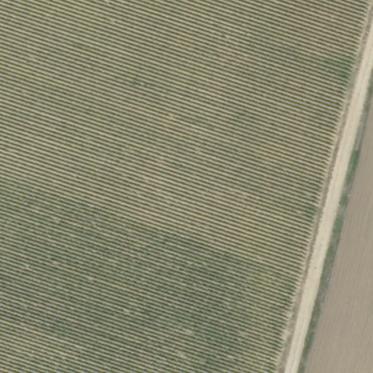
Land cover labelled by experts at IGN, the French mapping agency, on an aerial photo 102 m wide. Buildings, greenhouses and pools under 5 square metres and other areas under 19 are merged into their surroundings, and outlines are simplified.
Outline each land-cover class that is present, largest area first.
<instances>
[{"label":"vineyard","instance_id":"1","mask_svg":"<svg viewBox=\"0 0 373 373\"><path fill-rule=\"evenodd\" d=\"M367 0H0V373H274L275 356L280 350L281 334L286 326V312L302 268V258L305 255L313 216L322 214V211L315 205L321 191L323 169L328 159L332 134L341 111L344 92L348 87H354L356 77L351 73V68L356 58L358 35L361 32Z\"/></svg>","mask_w":373,"mask_h":373},{"label":"plowed land","instance_id":"2","mask_svg":"<svg viewBox=\"0 0 373 373\"><path fill-rule=\"evenodd\" d=\"M366 136L363 137V149L358 160L353 191L348 198L341 240L305 373H373V125L370 124L364 131Z\"/></svg>","mask_w":373,"mask_h":373},{"label":"herbaceous vegetation","instance_id":"3","mask_svg":"<svg viewBox=\"0 0 373 373\"><path fill-rule=\"evenodd\" d=\"M370 36L373 39V0H367L361 32L358 35L356 58L351 68V73L356 77L363 60L366 39ZM370 124L373 125V86L367 92L358 122L356 140L342 185L328 251L323 259L321 280L307 326L297 373H305L341 240L348 198L353 191L358 160L363 149V137L366 136L364 131ZM354 87H348L344 92L341 111L332 134L328 159L323 169L321 191L315 205L322 211L337 162L339 144L347 122ZM322 214L313 216L305 255L302 258V268L286 312V326L281 334L280 350L275 356L274 373H284Z\"/></svg>","mask_w":373,"mask_h":373},{"label":"pervious surface","instance_id":"4","mask_svg":"<svg viewBox=\"0 0 373 373\"><path fill-rule=\"evenodd\" d=\"M373 86V39L370 36L366 39L363 60L356 77L347 122L339 144L337 162L322 211V214L284 373H297L307 326L321 280L323 259L328 251L342 185L356 140L358 122L367 92Z\"/></svg>","mask_w":373,"mask_h":373}]
</instances>
